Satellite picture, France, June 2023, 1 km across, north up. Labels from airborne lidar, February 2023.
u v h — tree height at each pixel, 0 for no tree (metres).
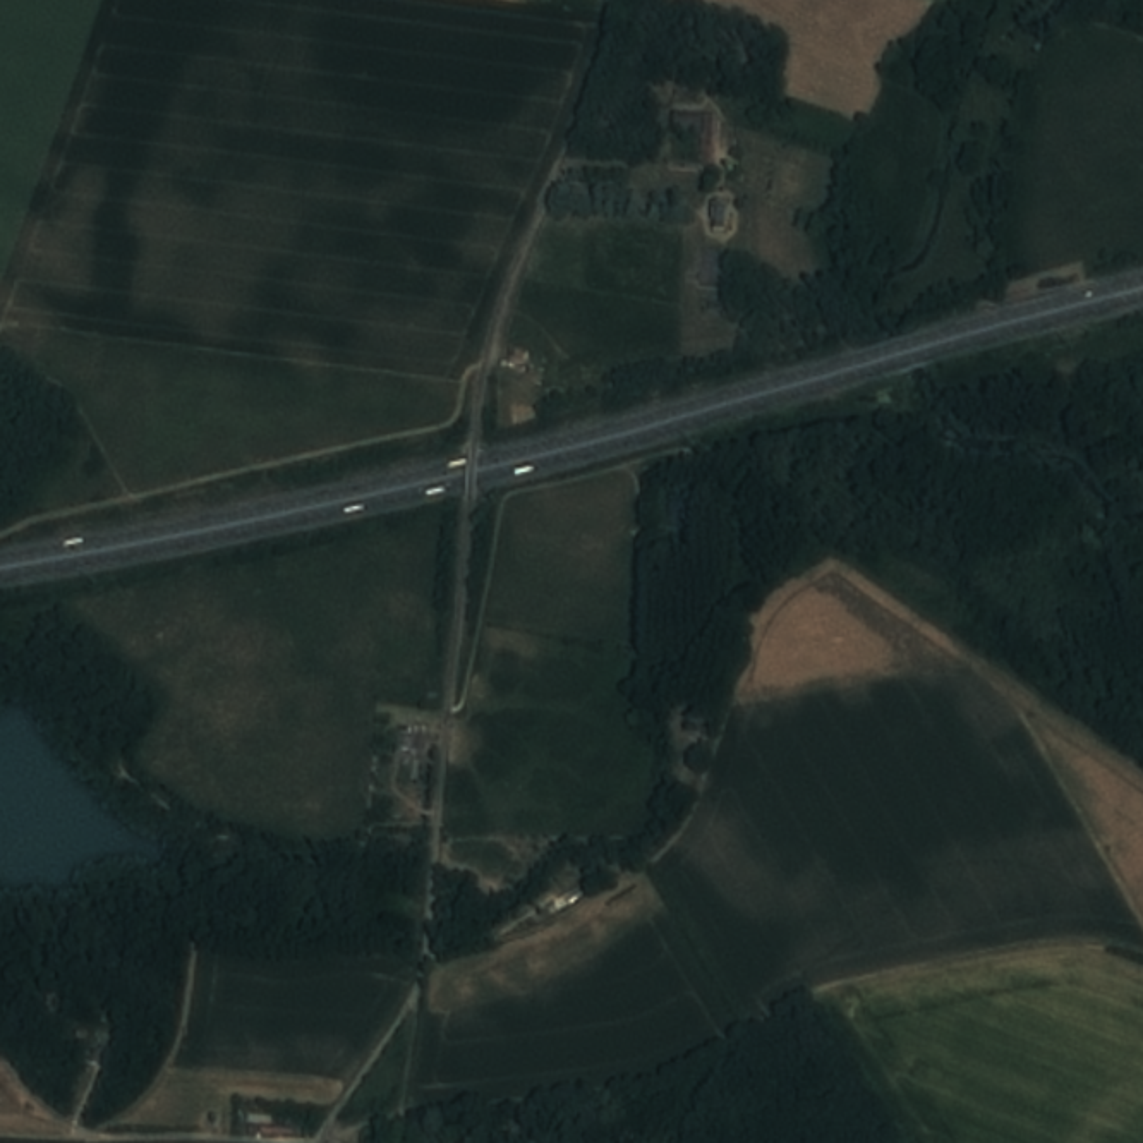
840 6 0
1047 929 0
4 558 0
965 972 0
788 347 19
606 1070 0
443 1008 0
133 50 0
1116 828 0
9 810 0
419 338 0
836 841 0
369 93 0
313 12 0
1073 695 11
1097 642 23
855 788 0
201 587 0
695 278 0
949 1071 0
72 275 0
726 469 26
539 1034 0
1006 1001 0
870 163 0
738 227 0
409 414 0
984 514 24
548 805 0
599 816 0
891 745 0
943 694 0
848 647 0
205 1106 0
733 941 0
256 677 0
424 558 0
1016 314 0
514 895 13
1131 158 0
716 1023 0
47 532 0
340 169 0
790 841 0
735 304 22
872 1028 0
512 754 0
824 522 22
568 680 0
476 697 0
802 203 0
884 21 0
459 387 0
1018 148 12
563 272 0
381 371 0
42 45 0
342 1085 0
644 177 0
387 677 0
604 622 0
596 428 0
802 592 0
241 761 0
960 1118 0
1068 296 0
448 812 0
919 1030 0
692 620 36
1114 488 15
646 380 15
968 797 0
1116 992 0
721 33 21
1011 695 0
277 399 0
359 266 0
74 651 18
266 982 0
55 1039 13
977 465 14
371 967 0
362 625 0
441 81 0
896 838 0
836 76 0
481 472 0
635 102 25
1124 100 0
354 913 30
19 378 17
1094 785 0
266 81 0
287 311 0
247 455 0
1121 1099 0
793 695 0
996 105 0
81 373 0
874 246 14
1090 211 0
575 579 0
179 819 9
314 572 0
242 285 0
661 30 23
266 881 27
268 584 0
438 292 0
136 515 0
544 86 0
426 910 0
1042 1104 0
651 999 0
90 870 15
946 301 13
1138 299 0
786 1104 24
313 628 0
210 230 0
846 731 0
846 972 0
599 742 0
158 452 0
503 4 0
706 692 32
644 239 0
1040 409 34
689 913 0
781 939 0
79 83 0
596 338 0
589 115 19
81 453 0
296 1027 0
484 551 13
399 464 0
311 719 0
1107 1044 0
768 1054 24
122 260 0
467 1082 0
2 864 0
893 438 20
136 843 0
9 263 0
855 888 0
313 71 0
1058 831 0
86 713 20
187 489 0
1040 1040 0
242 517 0
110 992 28
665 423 0
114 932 20
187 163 0
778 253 0
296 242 0
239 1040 0
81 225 0
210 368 0
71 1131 0
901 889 0
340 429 0
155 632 0
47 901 17
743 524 16
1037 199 0
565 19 0
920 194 0
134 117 0
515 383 0
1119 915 0
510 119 0
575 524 0
